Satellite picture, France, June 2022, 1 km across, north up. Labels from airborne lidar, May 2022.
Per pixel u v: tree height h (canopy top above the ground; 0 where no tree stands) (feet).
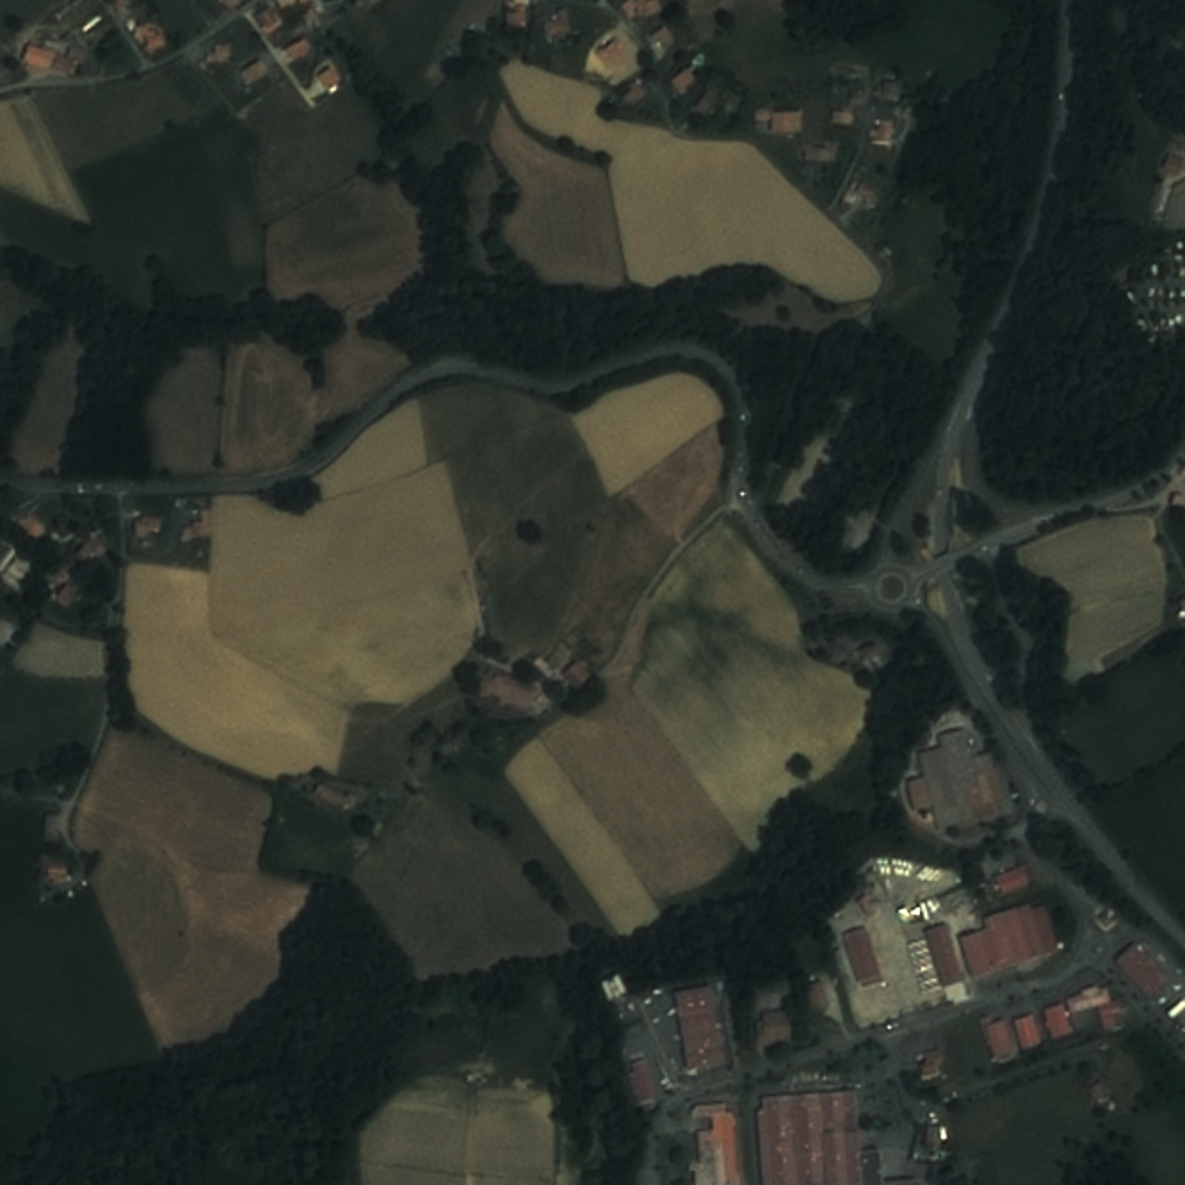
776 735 0
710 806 0
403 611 0
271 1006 66
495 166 22
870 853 0
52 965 0
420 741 30
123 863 0
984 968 0
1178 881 0
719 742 0
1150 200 0
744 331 51
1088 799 28
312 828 0
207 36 0
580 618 0
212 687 0
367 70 78
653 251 0
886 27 32
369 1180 0
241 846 0
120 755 0
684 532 0
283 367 0
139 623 0
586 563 0
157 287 35
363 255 0
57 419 0
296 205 0
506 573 0
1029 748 0
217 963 0
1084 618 0
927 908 0
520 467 0
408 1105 0
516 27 25
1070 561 0
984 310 59
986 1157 0
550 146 0
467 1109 0
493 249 69
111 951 0
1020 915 0
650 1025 0
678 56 31
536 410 0
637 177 0
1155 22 83
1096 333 94
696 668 0
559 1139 0
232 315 28
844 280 0
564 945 0
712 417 0
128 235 0
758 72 0
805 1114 0
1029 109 66
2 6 0
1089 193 39
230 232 0
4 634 0
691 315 52
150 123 0
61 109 0
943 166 66
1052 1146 0
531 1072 0
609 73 0
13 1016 0
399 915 0
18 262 73
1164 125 45
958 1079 0
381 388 0
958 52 0
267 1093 81
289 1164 43
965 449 0
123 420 75
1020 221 60
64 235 0
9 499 37
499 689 0
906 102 21
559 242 0
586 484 0
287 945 60
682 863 0
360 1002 88
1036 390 70
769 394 65
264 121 0
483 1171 0
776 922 91
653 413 0
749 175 0
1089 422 83
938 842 0
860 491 106
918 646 51
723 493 0
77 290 81
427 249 58
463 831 0
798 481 0
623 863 0
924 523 74
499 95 0
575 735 0
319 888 51
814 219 0
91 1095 62
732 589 0
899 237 0
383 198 0
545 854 0
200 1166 62
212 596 0
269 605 0
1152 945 0
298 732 0
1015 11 33
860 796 0
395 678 0
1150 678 0
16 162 0
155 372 52
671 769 0
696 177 0
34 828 0
